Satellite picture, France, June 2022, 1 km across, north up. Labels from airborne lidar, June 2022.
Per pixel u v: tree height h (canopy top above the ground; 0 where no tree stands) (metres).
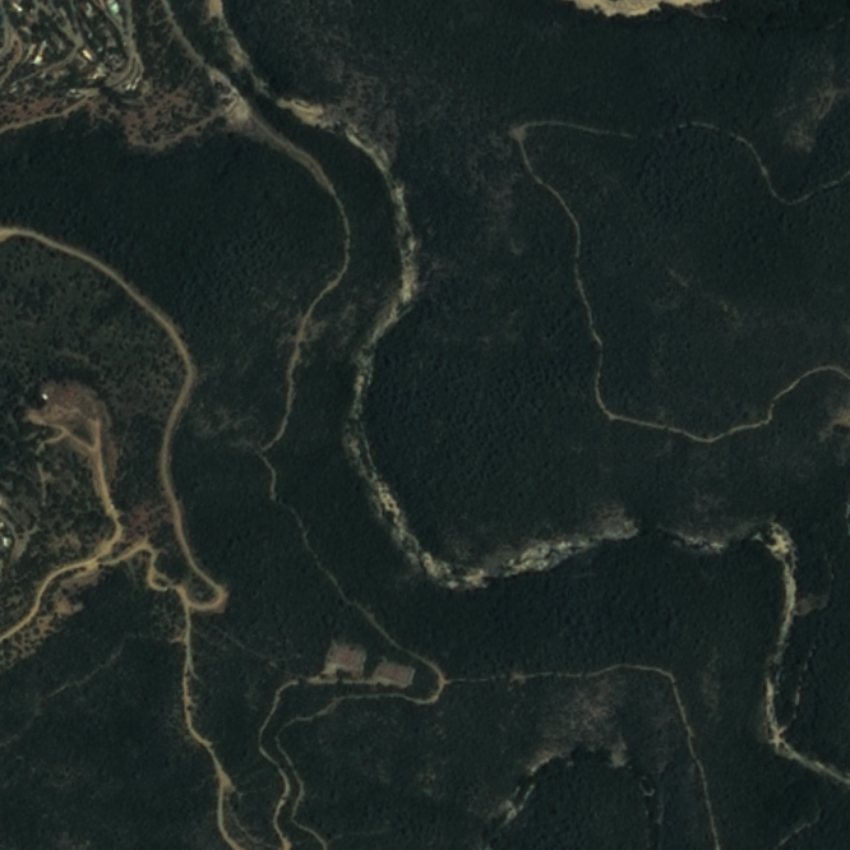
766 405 7
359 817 6
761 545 8
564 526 8
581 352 10
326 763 8
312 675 9
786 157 8
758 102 9
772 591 11
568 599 16
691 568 8
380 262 9
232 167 15
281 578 8
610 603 9
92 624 9
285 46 8
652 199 13
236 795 8
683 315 6
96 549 0
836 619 12
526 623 12
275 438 9
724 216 10
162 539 6
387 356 6
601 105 12
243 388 6
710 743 6
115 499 9
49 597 7
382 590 6
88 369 6
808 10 13
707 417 6
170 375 8
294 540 8
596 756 15
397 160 6
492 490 7
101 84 13
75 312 6
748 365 9
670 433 7
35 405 7
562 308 9
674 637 6
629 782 10
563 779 10
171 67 8
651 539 15
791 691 6
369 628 8
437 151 6
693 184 18
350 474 16
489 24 6
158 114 6
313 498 12
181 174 7
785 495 11
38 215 10
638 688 7
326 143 7
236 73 11
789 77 14
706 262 6
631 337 6
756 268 8
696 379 7
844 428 6
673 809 6
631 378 6
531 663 9
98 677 6
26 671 6
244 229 5
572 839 12
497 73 5
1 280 9
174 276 11
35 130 7
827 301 7
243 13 6
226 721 6
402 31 6
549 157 8
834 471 7
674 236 6
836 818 17
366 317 9
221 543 10
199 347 7
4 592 7
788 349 9
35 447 6
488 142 6
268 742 9
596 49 8
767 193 9
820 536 16
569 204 7
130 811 6
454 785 7
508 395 15
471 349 5
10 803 9
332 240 7
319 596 7
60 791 6
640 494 6
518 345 6
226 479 8
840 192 13
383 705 8
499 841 13
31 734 8
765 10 15
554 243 8
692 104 11
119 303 7
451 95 6
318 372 10
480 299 11
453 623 11
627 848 9
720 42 6
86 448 0
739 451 8
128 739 10
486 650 8
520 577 16
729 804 8
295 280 8
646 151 12
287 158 8
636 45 9
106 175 8
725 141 11
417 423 15
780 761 14
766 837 9
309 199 13
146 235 9
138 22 9
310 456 10
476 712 8
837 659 13
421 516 7
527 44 6
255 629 10
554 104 7
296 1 7
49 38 6
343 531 12
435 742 6
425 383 8
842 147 15
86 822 5
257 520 12
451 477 6
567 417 7
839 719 7
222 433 6
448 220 8
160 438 9
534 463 7
